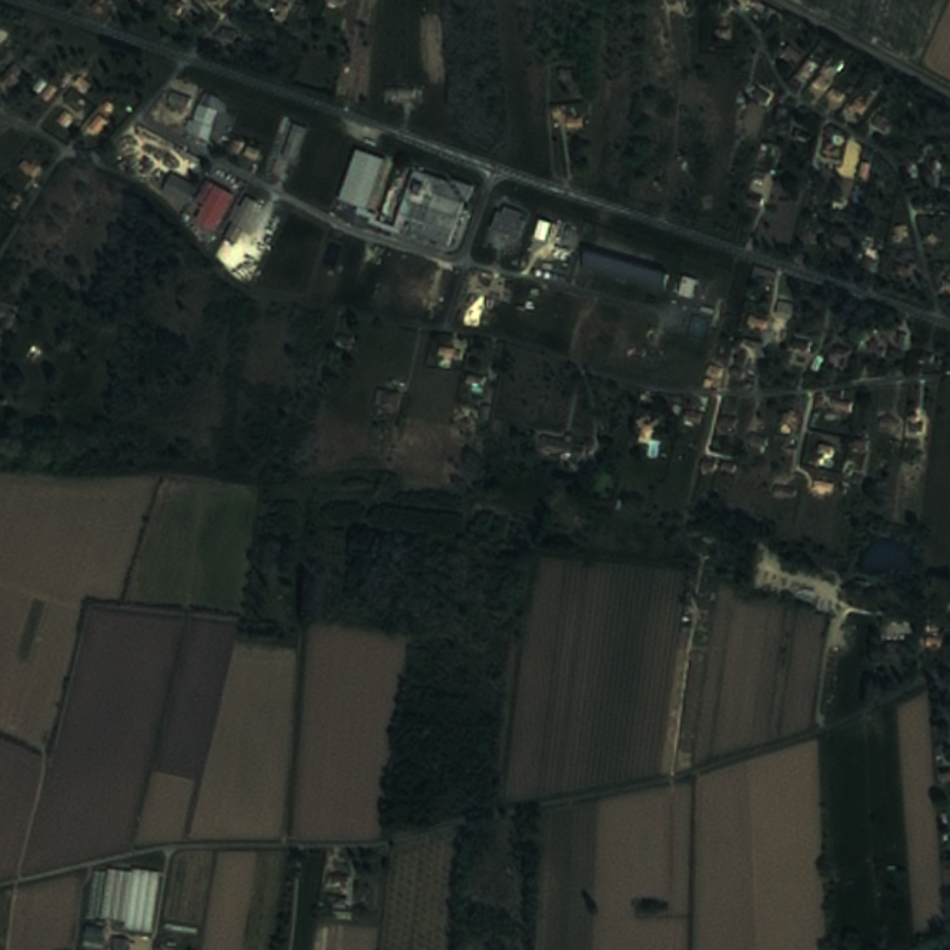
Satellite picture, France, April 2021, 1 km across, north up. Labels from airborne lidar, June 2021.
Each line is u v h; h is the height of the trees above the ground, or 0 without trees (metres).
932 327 0
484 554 9
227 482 0
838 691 0
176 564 0
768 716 0
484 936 15
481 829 20
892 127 7
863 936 9
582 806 0
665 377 0
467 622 9
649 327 0
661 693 0
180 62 0
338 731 0
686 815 0
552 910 0
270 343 0
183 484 0
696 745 0
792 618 0
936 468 0
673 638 0
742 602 0
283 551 17
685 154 7
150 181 0
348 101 0
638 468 0
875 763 0
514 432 10
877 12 15
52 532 0
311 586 20
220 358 0
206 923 0
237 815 0
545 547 17
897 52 10
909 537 8
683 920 0
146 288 15
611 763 0
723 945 0
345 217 0
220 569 0
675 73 0
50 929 0
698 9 22
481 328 0
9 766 0
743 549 23
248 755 0
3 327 0
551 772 0
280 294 0
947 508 0
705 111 8
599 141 0
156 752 0
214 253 0
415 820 13
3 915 0
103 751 0
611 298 0
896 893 6
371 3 0
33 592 0
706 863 0
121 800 0
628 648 0
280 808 0
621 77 7
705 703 0
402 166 9
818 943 0
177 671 0
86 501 0
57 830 0
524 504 0
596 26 18
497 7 18
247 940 0
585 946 0
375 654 0
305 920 0
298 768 0
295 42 18
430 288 0
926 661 9
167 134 0
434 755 11
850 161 0
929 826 0
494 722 11
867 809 0
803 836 0
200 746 0
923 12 11
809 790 0
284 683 0
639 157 18
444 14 13
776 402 6
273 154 0
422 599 21
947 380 6
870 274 11
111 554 0
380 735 0
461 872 18
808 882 0
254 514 0
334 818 0
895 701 0
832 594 0
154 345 19
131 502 0
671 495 0
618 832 0
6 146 0
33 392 0
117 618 0
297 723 0
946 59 0
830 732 0
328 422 0
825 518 0
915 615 15
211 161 9
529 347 0
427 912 6
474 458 14
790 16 8
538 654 0
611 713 0
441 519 9
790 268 0
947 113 20
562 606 0
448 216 0
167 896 0
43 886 0
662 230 0
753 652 0
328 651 0
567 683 0
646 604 0
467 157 0
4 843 0
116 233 16
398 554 22
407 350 0
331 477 0
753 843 0
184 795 0
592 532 12
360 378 0
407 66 0
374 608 25
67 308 6
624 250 0
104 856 0
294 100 0
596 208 0
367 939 0
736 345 7
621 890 0
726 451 14
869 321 7
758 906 0
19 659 0
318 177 0
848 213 7
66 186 0
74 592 0
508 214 0
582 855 0
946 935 28
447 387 0
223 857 0
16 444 30
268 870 0
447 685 9
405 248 0
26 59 9
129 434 19
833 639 0
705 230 0
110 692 0
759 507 0
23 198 8
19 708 0
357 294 0
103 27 0
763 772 0
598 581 0
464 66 16
